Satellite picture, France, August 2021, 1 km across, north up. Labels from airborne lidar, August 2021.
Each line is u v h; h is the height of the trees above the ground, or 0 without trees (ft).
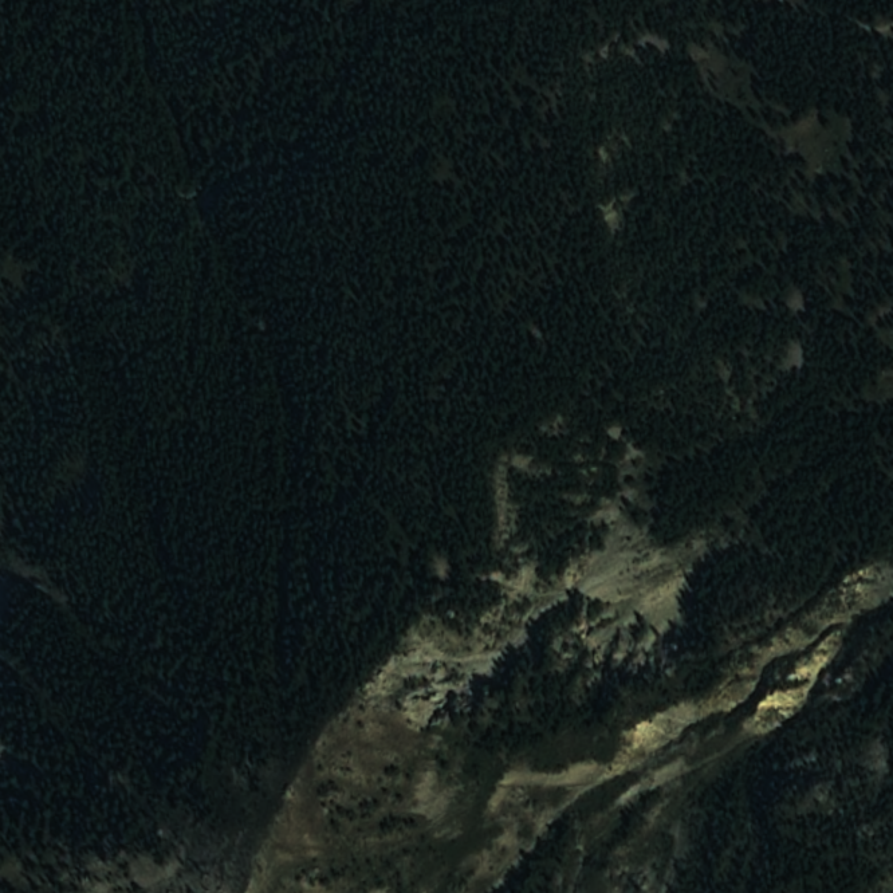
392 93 50
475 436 71
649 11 66
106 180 73
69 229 67
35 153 73
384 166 63
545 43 25
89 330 44
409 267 79
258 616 18
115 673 26
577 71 33
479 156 66
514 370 89
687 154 67
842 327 70
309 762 0
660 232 63
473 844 0
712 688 35
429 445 91
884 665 0
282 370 38
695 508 61
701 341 53
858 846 39
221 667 50
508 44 21
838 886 47
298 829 0
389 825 34
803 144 0
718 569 80
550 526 26
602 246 54
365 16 51
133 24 33
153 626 51
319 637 41
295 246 50
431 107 52
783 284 83
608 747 0
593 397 43
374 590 50
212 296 62
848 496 85
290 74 86
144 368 43
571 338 82
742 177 67
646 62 68
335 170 59
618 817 0
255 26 68
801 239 85
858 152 56
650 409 35
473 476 72
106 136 73
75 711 57
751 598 28
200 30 65
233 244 27
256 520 39
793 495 70
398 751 0
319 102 73
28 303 62
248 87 85
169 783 24
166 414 75
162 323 46
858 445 34
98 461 64
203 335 73
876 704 39
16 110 70
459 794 0
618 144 33
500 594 40
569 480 25
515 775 0
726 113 60
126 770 49
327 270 43
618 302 53
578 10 38
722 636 30
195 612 45
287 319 47
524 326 83
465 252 82
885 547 41
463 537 63
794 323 49
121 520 64
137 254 52
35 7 51
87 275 55
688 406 79
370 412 44
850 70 55
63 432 64
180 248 52
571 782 0
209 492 62
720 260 48
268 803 0
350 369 62
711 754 0
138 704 30
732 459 74
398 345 76
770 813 32
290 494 40
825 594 19
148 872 0
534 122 80
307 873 26
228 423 48
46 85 69
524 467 0
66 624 27
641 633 22
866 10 64
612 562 0
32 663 21
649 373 50
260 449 56
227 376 48
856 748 35
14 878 0
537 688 63
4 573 0
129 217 77
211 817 27
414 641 0
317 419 54
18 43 73
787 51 75
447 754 0
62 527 55
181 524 61
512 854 0
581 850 20
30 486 33
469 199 36
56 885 50
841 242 79
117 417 30
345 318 67
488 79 65
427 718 0
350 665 40
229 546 61
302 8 47
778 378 31
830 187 79
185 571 44
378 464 73
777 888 26
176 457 70
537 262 57
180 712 21
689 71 85
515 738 72
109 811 37
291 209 36
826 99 96
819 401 49
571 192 54
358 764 0
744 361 73
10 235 37
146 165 56
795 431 59
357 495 57
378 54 75
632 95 25
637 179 46
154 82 36
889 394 0
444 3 37
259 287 68
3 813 59
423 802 0
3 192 70
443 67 68
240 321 32
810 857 65
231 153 48
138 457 32
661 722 0
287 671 27
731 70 0
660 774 0
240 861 0
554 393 81
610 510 0
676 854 0
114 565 59
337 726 0
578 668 37
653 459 0
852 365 90
